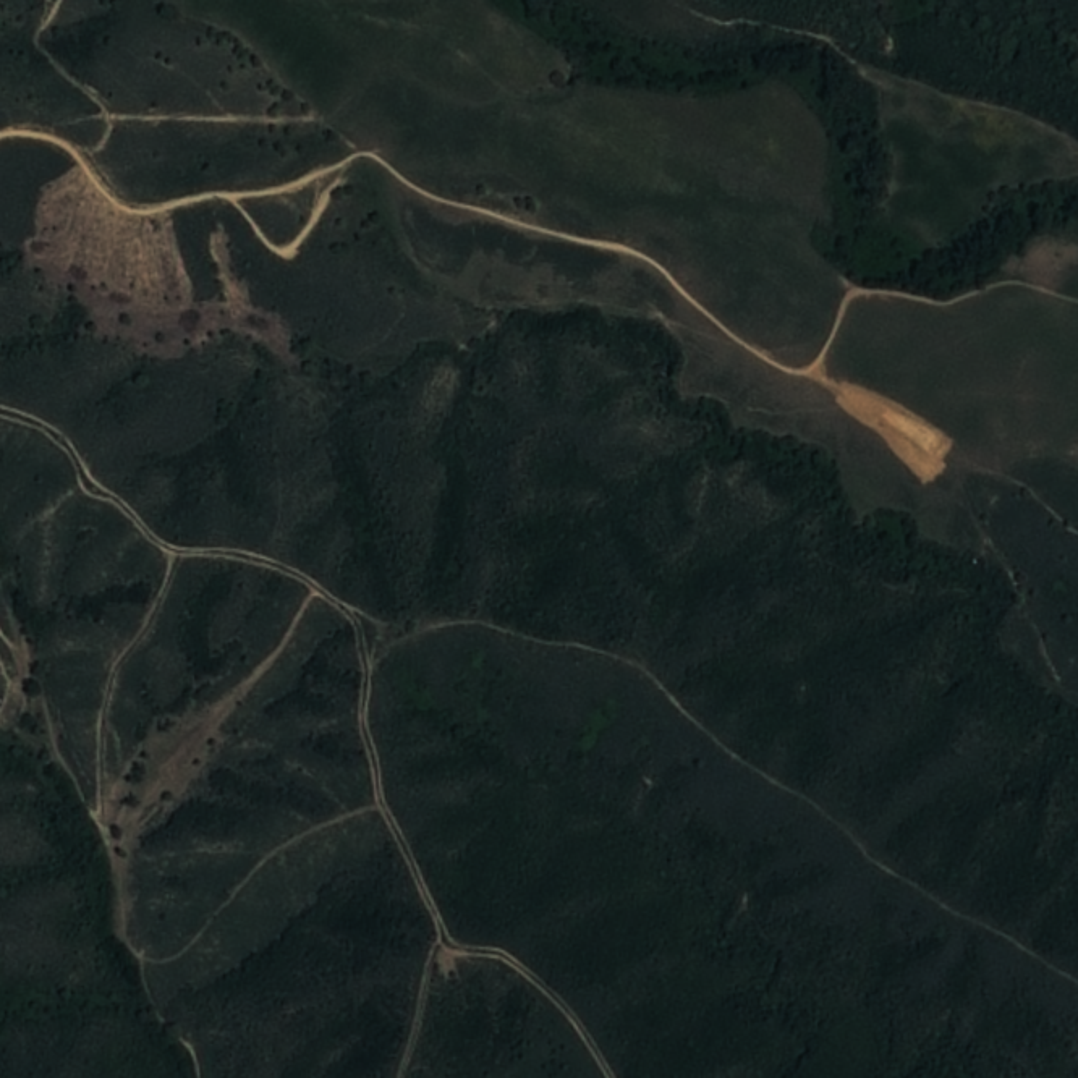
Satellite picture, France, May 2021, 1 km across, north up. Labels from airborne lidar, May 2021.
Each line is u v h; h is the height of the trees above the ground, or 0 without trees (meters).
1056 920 6
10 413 0
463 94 0
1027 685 9
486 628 0
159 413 0
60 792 8
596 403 6
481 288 0
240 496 6
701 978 5
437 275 0
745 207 0
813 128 0
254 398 6
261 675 0
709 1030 7
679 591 6
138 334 0
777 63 27
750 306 0
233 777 6
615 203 0
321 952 6
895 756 6
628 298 0
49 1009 10
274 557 0
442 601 6
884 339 0
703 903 5
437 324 0
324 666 6
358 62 0
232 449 6
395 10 0
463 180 0
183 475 5
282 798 6
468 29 0
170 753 0
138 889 0
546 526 7
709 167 0
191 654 6
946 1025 5
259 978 6
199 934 0
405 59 0
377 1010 6
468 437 6
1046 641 8
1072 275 0
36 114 0
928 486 0
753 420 0
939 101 0
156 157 6
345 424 7
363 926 7
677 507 5
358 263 0
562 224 0
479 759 7
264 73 0
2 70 0
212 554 0
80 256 0
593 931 6
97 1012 5
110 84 0
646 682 0
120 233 0
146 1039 6
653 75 12
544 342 6
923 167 0
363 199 0
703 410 9
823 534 8
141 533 0
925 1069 8
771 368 0
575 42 7
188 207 0
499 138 0
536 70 0
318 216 0
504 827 6
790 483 6
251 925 0
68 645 0
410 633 6
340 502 6
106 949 9
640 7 0
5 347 8
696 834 5
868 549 10
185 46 0
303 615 0
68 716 0
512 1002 7
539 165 0
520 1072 0
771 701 6
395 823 0
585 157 0
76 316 11
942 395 0
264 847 0
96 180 0
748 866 6
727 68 8
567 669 0
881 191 21
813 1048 8
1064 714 15
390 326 0
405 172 0
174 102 0
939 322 0
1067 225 11
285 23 0
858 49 8
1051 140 0
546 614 6
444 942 0
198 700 8
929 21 6
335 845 0
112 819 0
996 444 0
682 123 0
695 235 0
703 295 0
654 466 7
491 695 6
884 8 10
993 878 5
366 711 0
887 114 0
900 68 6
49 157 0
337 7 0
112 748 0
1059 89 7
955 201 0
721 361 0
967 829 5
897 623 9
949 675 6
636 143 0
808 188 0
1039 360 0
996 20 6
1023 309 0
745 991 7
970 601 7
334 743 6
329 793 0
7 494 0
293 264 0
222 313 6
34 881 6
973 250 33
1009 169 0
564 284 0
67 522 0
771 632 5
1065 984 0
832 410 0
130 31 0
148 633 0
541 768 7
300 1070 6
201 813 7
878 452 0
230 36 8
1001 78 6
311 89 0
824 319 0
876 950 5
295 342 7
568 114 0
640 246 0
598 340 6
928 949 7
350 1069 7
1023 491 7
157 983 0
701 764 9
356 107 0
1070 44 10
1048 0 5
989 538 0
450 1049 6
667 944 5
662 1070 6
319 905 7
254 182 0
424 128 0
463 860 6
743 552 8
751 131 0
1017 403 0
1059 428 0
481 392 7
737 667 6
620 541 6
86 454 0
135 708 0
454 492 8
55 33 10
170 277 0
